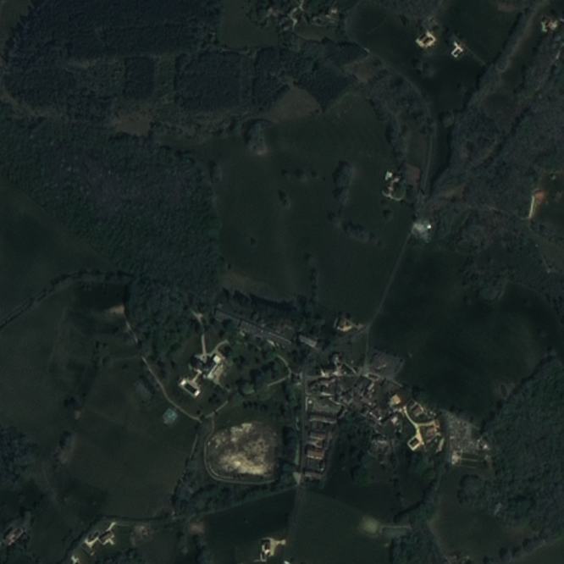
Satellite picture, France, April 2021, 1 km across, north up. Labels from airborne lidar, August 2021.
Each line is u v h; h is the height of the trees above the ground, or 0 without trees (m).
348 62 20
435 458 8
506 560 20
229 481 0
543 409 19
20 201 0
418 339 0
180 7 19
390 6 23
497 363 0
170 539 0
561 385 19
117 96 11
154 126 13
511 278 8
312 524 0
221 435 0
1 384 0
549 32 14
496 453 21
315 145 0
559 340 0
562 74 18
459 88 9
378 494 0
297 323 23
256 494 16
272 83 15
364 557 0
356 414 6
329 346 13
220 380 0
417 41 0
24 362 0
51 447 0
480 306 0
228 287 0
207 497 21
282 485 18
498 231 12
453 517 0
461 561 12
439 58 0
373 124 0
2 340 0
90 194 18
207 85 16
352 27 0
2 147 16
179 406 0
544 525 25
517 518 22
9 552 9
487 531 0
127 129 0
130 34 18
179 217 18
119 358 0
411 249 0
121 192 16
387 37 0
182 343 20
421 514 20
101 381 0
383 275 0
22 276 0
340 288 0
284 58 18
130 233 18
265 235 0
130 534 0
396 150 19
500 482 11
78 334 0
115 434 0
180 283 19
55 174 15
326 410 0
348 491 0
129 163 14
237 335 18
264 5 6
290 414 10
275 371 20
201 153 0
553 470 24
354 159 0
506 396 0
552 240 12
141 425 0
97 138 19
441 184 13
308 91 20
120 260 15
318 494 0
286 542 0
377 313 0
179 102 16
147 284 25
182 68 16
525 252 10
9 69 19
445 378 0
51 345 0
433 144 0
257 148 19
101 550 0
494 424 16
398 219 0
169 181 14
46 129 17
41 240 0
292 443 26
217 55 18
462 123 19
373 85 20
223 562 0
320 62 20
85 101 16
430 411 14
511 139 16
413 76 0
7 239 0
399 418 8
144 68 17
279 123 0
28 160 19
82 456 0
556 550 0
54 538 0
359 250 0
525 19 16
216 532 0
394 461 15
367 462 17
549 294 7
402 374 0
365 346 0
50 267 0
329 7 10
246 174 0
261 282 0
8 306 0
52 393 0
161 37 20
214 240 16
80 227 19
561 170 16
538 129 16
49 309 0
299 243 0
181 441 0
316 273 11
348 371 10
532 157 19
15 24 0
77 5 20
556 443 22
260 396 24
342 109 0
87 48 18
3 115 12
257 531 0
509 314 0
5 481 20
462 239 16
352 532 0
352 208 0
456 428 0
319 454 0
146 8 16
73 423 0
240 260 0
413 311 0
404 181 12
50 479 0
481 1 0
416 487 0
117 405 0
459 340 0
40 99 16
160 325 23
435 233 7
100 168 17
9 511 0
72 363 0
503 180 23
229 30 0
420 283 0
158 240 21
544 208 0
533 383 16
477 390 0
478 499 18
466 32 0
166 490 0
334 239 0
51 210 14
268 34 0
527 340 0
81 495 0
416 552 19
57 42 18
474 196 22
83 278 14
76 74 6
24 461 23
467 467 0
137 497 0
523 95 21
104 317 0
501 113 0
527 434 21
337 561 0
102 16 19
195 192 18
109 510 0
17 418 0
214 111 16
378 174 0
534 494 19
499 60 15
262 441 0
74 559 0
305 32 0
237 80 17
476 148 17
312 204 0
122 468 0
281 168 0
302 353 8
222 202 0
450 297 0
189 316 19
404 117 0
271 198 0
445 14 0
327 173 0
